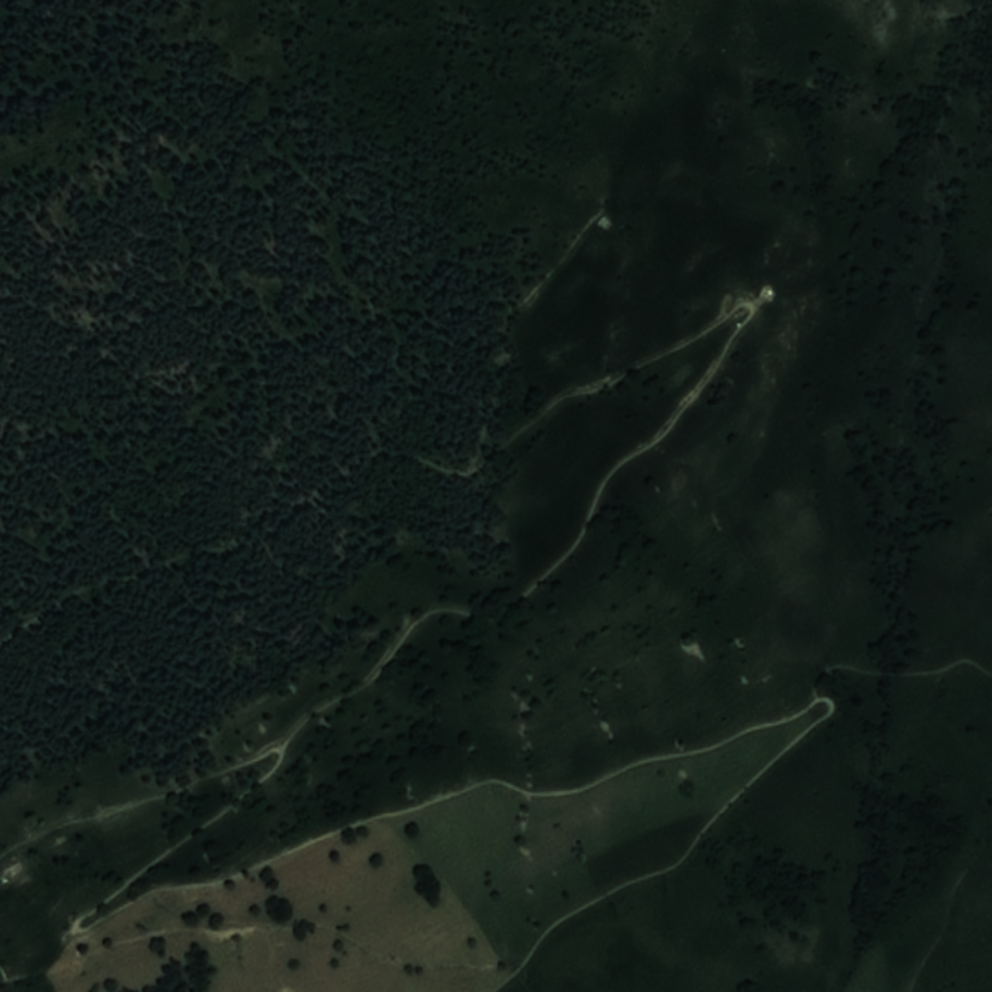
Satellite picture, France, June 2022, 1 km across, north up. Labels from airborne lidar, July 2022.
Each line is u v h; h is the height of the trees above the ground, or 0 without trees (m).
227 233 23
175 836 9
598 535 13
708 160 0
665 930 0
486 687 12
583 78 16
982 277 0
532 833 0
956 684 0
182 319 23
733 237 0
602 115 0
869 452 8
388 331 29
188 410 21
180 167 29
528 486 0
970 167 12
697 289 0
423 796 0
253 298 24
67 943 0
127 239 24
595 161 0
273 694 12
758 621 0
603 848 0
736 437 13
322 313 26
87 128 8
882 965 0
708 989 0
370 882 0
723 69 0
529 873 0
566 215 0
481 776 0
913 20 0
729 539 0
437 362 12
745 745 0
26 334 20
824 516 0
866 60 0
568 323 0
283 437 22
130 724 15
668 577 0
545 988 0
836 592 0
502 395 12
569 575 0
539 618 0
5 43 18
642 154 0
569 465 0
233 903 0
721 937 0
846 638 0
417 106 14
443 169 9
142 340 22
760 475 0
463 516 15
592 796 0
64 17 22
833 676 9
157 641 19
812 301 0
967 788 0
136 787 0
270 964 0
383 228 26
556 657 0
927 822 11
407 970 7
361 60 7
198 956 16
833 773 0
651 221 0
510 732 0
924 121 16
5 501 20
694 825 0
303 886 0
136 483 15
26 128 8
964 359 0
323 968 0
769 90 8
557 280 0
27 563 21
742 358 13
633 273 0
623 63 0
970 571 0
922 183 0
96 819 0
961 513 0
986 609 0
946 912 0
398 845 0
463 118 12
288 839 8
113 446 19
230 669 28
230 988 0
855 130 0
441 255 14
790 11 0
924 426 15
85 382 25
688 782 12
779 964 0
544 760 0
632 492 0
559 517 0
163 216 23
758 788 0
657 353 0
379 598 0
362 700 0
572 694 0
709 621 0
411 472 19
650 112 0
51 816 0
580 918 0
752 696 0
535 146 6
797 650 0
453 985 0
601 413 0
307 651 27
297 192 27
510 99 0
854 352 0
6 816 0
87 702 27
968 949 0
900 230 0
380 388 31
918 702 0
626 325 0
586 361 0
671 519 0
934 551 0
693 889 0
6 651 18
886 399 20
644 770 0
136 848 0
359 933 0
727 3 0
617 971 0
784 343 0
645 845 0
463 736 14
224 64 14
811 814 0
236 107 24
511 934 0
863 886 16
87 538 29
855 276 12
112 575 22
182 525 14
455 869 0
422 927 0
